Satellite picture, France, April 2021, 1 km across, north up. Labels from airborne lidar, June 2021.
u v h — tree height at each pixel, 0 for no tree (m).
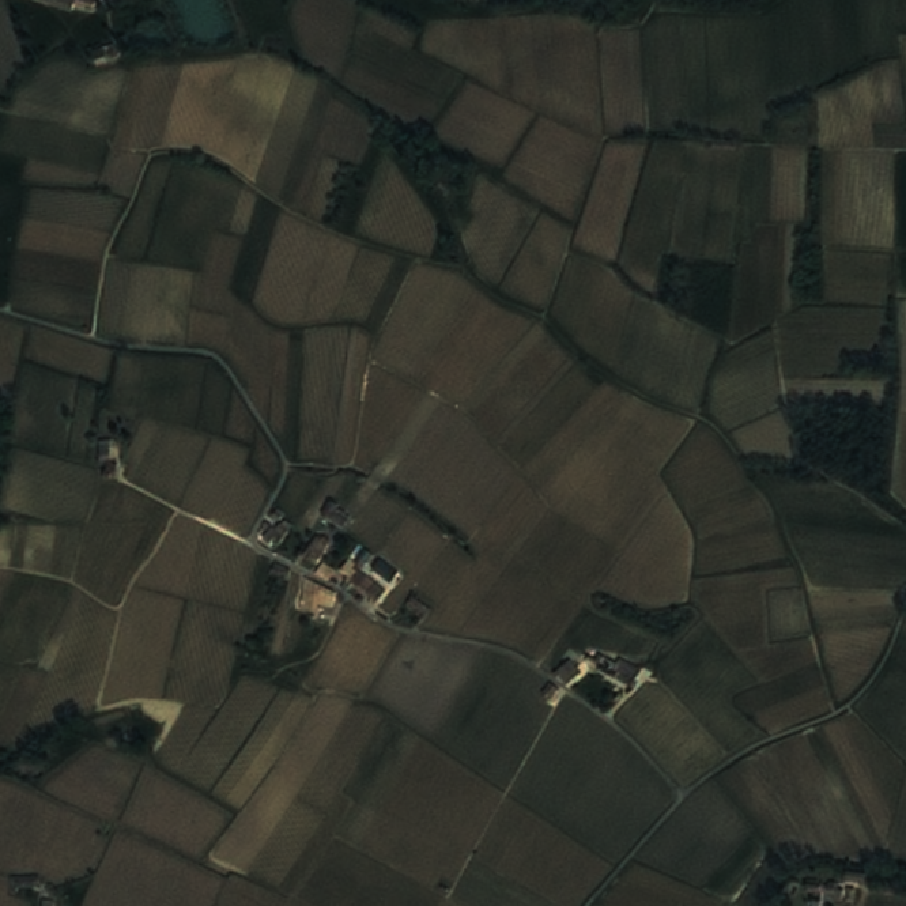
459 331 0
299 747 0
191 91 0
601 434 0
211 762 0
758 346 0
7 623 0
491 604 0
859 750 0
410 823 0
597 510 0
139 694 0
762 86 0
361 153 0
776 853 0
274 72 0
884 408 10
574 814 0
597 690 0
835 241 0
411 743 0
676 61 0
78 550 0
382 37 0
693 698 0
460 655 0
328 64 0
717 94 0
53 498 0
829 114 0
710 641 0
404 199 0
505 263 0
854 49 0
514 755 0
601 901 0
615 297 0
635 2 15
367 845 0
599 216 0
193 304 0
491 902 0
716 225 0
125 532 0
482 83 0
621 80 0
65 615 0
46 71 0
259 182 0
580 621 0
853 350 0
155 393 0
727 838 0
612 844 0
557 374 0
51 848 0
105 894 0
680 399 0
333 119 0
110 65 0
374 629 0
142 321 0
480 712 0
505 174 0
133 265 0
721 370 0
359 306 0
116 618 0
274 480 0
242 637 0
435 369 0
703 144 12
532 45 0
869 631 0
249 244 0
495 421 0
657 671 0
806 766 0
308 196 0
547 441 0
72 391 0
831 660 0
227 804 0
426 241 0
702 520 0
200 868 0
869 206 0
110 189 10
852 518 0
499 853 0
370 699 0
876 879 18
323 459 0
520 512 0
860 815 0
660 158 0
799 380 0
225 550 0
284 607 0
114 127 0
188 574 0
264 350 0
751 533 0
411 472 0
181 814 0
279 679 0
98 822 0
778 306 0
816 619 0
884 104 0
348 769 0
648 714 0
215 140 0
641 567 0
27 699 0
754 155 0
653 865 0
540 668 0
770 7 0
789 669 0
